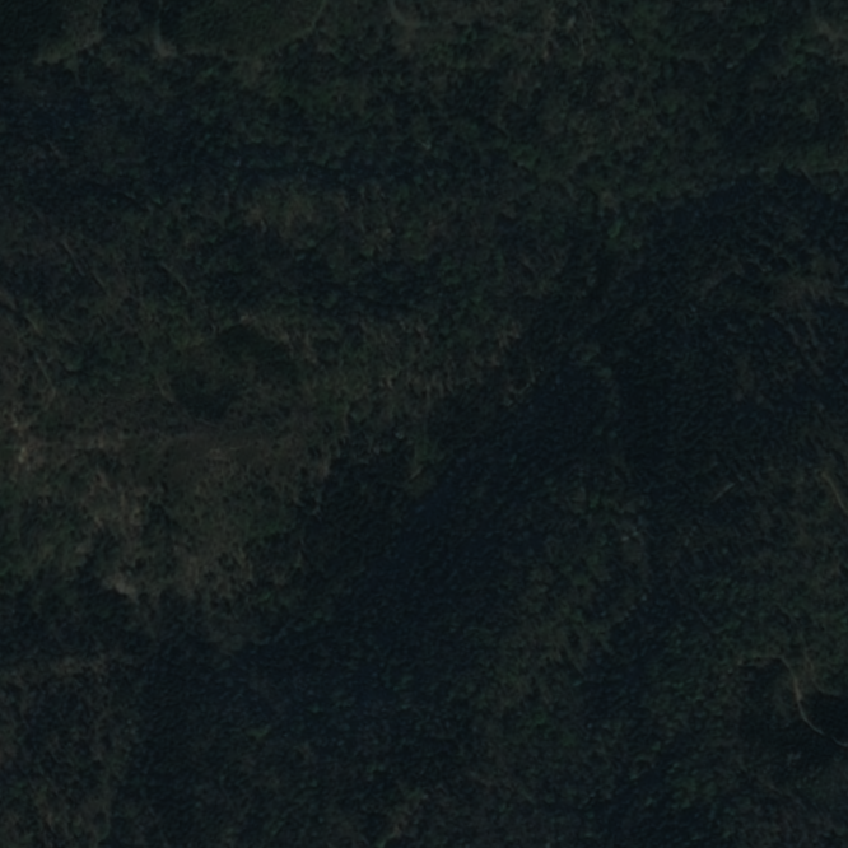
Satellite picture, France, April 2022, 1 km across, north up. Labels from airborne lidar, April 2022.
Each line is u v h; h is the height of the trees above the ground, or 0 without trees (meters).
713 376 29
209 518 15
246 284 27
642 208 35
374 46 30
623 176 24
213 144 23
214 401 8
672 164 30
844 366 34
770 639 12
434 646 22
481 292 26
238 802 27
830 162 16
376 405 21
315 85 18
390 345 21
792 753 16
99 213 28
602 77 26
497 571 23
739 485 22
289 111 29
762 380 30
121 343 23
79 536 14
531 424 28
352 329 21
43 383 14
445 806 22
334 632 17
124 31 28
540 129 24
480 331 24
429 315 22
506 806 29
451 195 28
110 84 21
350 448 21
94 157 25
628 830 29
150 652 24
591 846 30
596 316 21
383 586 31
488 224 32
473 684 19
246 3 15
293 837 23
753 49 13
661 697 23
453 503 34
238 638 30
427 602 27
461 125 21
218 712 15
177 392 9
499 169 23
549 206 21
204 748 15
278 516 22
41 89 22
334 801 22
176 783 32
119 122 22
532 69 18
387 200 28
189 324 23
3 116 25
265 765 20
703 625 18
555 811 29
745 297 6
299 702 15
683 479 7
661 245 17
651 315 6
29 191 30
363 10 31
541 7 17
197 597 20
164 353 29
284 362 7
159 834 30
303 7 17
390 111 12
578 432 32
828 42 15
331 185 23
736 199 34
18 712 27
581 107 23
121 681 30
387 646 27
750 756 11
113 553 19
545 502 20
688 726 20
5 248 30
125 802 27
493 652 19
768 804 12
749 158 24
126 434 9
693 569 22
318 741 21
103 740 11
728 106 28
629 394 20
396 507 28
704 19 22
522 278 23
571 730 28
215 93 27
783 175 24
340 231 28
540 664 19
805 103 26
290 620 24
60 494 21
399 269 38
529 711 30
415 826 22
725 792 7
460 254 37
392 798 17
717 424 27
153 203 21
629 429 25
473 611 22
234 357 8
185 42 9
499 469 23
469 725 11
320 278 34
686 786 22
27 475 15
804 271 7
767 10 29
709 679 19
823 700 14
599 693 18
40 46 21
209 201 15
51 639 28
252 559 22
